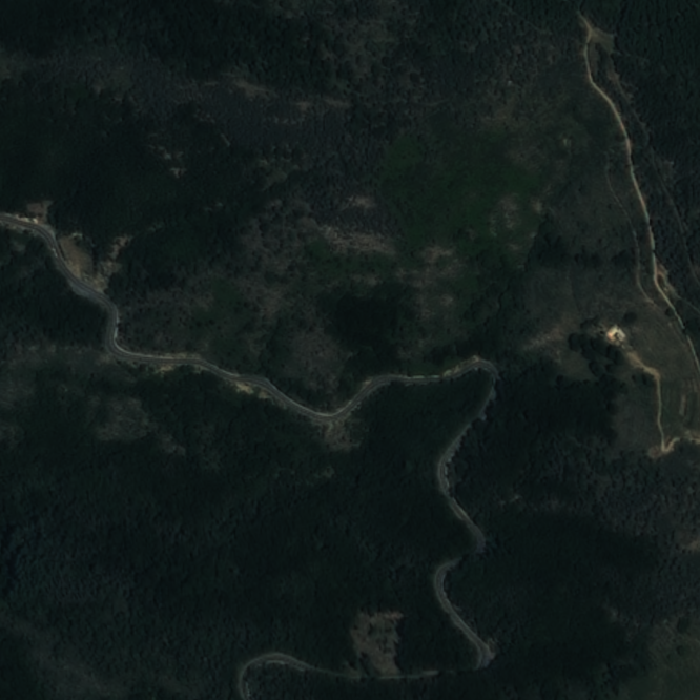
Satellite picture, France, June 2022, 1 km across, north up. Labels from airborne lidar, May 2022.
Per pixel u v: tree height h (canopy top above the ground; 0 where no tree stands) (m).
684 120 13
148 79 8
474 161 0
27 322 7
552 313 0
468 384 21
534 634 20
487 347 22
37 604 20
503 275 11
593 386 18
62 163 8
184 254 16
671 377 0
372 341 15
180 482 22
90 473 32
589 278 0
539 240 16
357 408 6
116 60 7
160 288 9
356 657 16
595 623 14
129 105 11
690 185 11
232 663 7
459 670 17
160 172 14
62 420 13
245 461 11
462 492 16
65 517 18
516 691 9
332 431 0
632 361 0
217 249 10
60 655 7
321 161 11
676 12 18
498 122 0
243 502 12
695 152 17
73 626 14
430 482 6
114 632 8
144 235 13
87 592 14
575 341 18
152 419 10
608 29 7
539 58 11
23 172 16
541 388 29
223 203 9
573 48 11
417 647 21
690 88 9
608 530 14
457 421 20
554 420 20
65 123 12
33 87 13
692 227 8
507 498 8
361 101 8
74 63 8
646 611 7
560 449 11
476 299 11
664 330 0
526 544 19
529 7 17
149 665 7
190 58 14
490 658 0
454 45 9
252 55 20
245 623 12
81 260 0
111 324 0
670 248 12
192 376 14
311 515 25
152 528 20
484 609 14
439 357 11
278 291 0
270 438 12
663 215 12
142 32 8
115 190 17
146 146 9
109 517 22
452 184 7
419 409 18
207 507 24
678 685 0
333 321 13
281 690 10
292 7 8
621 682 15
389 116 7
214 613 16
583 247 7
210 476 16
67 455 22
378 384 0
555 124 0
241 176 13
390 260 0
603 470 8
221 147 11
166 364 0
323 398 6
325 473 10
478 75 6
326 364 0
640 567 17
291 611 12
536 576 14
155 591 12
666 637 0
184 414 14
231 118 12
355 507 18
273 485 14
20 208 10
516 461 21
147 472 25
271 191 17
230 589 15
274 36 20
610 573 16
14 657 14
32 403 9
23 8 19
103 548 14
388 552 15
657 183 5
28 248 12
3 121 14
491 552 17
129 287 7
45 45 18
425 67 7
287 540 12
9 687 18
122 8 16
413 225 0
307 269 7
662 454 0
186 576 18
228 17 22
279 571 14
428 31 10
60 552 18
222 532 14
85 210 16
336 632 21
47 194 10
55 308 14
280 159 6
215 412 16
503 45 10
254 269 9
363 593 25
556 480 10
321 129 9
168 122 9
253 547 17
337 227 10
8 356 10
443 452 13
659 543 13
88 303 12
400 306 8
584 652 19
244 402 8
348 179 7
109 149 15
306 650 13
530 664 27
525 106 6
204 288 5
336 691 18
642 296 0
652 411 0
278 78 12
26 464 17
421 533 24
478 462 12
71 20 17
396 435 23
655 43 20
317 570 19
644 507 10
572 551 13
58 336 9
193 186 15
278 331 10
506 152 0
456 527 21
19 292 12
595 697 9
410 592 16
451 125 0
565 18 18
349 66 11
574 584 11
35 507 16
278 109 8
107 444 16
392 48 10
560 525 21
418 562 11
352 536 17
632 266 7
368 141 12
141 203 11
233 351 6
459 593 14
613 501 10
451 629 11
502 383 15
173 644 10
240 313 11
